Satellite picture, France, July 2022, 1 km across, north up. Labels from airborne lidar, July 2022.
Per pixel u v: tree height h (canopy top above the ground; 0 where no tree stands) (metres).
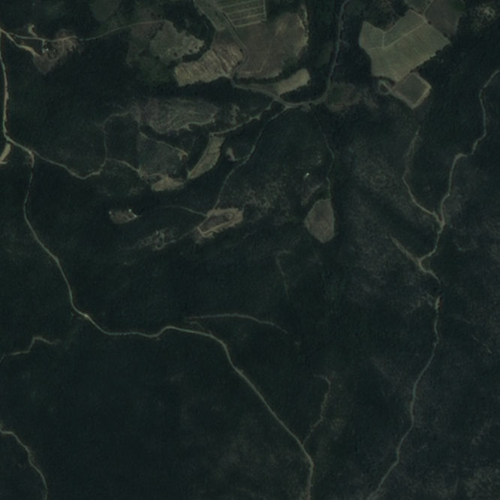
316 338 8
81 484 6
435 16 0
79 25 8
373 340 7
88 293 6
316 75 10
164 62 0
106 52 8
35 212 11
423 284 8
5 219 6
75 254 6
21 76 6
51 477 10
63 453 9
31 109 9
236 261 6
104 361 5
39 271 6
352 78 7
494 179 6
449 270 7
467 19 6
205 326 6
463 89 11
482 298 6
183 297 10
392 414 6
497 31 10
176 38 0
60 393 9
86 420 7
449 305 7
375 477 6
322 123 10
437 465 6
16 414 6
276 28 0
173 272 7
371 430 6
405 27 0
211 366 6
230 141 8
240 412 6
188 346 6
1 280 6
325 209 0
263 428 6
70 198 10
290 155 6
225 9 0
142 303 7
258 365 6
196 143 5
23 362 7
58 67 6
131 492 6
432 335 5
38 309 6
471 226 6
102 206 8
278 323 8
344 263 7
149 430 6
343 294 6
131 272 9
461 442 5
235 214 0
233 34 0
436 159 6
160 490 6
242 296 6
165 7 7
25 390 7
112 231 10
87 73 8
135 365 6
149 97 7
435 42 0
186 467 6
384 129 11
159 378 6
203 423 6
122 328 5
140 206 10
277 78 10
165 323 7
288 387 7
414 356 7
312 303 9
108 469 6
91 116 6
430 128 9
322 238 0
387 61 0
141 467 6
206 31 8
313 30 17
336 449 8
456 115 10
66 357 8
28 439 6
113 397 6
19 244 7
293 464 6
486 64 10
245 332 6
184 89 14
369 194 6
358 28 6
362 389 5
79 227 9
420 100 0
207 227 0
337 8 7
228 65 0
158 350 6
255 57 0
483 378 6
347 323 11
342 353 6
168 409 6
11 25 6
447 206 0
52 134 6
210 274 9
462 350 6
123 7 9
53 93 9
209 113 0
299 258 6
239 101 7
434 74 7
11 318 8
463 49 12
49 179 10
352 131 8
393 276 8
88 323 9
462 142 9
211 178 6
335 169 7
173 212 5
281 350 8
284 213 5
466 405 6
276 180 7
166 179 0
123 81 8
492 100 7
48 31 9
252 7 0
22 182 11
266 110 6
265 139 7
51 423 8
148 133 7
